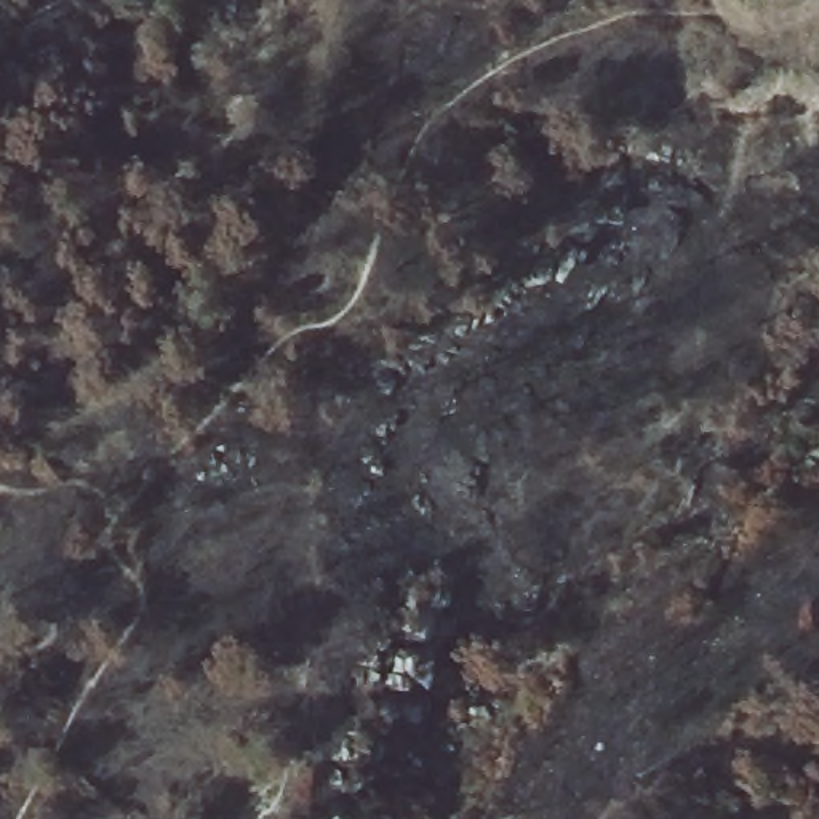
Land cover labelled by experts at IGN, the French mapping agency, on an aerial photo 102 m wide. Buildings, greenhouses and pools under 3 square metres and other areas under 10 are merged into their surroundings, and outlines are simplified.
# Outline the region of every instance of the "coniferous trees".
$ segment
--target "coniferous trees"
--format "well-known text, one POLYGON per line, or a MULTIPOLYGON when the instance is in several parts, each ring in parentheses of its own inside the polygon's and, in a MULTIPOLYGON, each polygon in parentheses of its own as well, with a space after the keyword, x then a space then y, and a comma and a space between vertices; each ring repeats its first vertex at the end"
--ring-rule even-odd
POLYGON ((64 569, 70 560, 99 557, 102 547, 99 528, 93 528, 90 521, 93 515, 80 502, 74 502, 80 489, 86 489, 90 470, 70 470, 70 480, 61 480, 54 473, 51 493, 45 496, 0 496, 0 653, 6 649, 10 656, 19 656, 19 643, 26 643, 29 633, 29 624, 16 617, 13 595, 42 576, 64 569))
POLYGON ((246 768, 256 771, 272 768, 278 758, 272 755, 266 736, 256 733, 250 745, 240 749, 240 758, 246 761, 246 768))
POLYGON ((192 800, 176 797, 163 806, 160 819, 214 819, 211 809, 202 809, 192 800))
POLYGON ((256 669, 256 656, 234 637, 221 637, 211 649, 211 659, 205 662, 205 675, 214 681, 218 691, 230 697, 266 701, 269 678, 256 669))
POLYGON ((819 819, 819 749, 790 742, 784 739, 784 733, 761 739, 745 733, 720 736, 717 742, 688 749, 678 758, 681 765, 633 781, 624 793, 627 819, 717 819, 720 809, 739 813, 749 803, 787 806, 790 819, 819 819))
POLYGON ((819 349, 819 250, 809 250, 806 243, 793 240, 790 262, 784 266, 787 278, 774 282, 771 291, 774 330, 761 333, 761 346, 768 349, 781 374, 768 374, 765 390, 742 384, 729 403, 717 406, 723 419, 739 422, 739 413, 749 410, 749 403, 787 400, 790 387, 797 384, 797 368, 806 362, 809 349, 819 349))
POLYGON ((16 765, 22 771, 22 784, 35 797, 51 797, 54 777, 42 761, 42 752, 29 749, 26 761, 16 765))
POLYGON ((771 448, 771 457, 758 470, 749 470, 742 477, 726 464, 710 467, 710 483, 720 496, 720 518, 729 521, 726 528, 710 525, 710 531, 723 537, 720 553, 726 560, 745 560, 755 550, 758 534, 774 525, 781 483, 819 486, 819 425, 790 422, 784 441, 771 448))
POLYGON ((211 29, 202 0, 0 0, 0 451, 6 454, 16 435, 22 435, 26 441, 38 441, 48 432, 51 419, 70 416, 77 406, 96 416, 109 406, 134 403, 138 416, 147 419, 173 419, 186 425, 192 419, 189 384, 198 381, 214 362, 211 342, 214 333, 224 333, 230 323, 234 288, 240 278, 237 269, 253 269, 243 246, 256 240, 256 224, 250 214, 240 214, 237 205, 227 198, 218 198, 214 205, 186 202, 179 192, 182 182, 192 176, 192 163, 182 160, 179 166, 166 150, 170 144, 163 141, 160 128, 147 115, 134 118, 134 112, 125 112, 125 106, 141 86, 141 80, 150 77, 160 83, 173 80, 182 90, 202 86, 208 80, 205 70, 192 64, 192 45, 202 42, 211 29))
POLYGON ((157 656, 144 649, 128 649, 122 656, 134 627, 125 624, 118 637, 106 637, 99 621, 86 617, 70 633, 58 633, 54 646, 45 649, 45 656, 38 659, 38 669, 22 675, 19 688, 10 694, 16 713, 45 717, 48 710, 67 710, 64 726, 70 729, 77 720, 131 723, 131 704, 150 694, 160 681, 157 656))
POLYGON ((781 640, 765 646, 768 656, 774 656, 793 681, 803 681, 813 694, 819 694, 819 627, 809 624, 793 646, 781 640))

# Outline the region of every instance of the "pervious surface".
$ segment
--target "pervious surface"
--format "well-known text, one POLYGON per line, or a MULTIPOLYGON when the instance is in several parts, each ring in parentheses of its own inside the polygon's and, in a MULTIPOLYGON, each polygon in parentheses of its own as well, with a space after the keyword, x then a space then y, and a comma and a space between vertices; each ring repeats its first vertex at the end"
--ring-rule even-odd
POLYGON ((736 32, 749 35, 781 35, 784 29, 806 26, 819 16, 819 0, 710 0, 717 16, 723 16, 736 32))

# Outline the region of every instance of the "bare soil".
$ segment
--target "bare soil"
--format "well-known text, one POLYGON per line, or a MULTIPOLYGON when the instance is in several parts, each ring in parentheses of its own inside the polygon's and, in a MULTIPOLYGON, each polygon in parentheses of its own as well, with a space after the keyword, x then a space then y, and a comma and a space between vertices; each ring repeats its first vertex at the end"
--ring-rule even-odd
POLYGON ((739 813, 720 809, 717 819, 790 819, 787 806, 749 803, 739 813))
POLYGON ((790 262, 793 240, 806 243, 809 250, 819 250, 819 16, 806 26, 784 29, 781 35, 749 35, 736 32, 723 16, 717 16, 710 0, 202 0, 211 29, 202 42, 192 45, 192 64, 205 70, 208 80, 202 86, 182 90, 173 80, 160 83, 150 77, 141 80, 141 86, 125 106, 125 112, 134 112, 134 118, 147 115, 160 128, 163 141, 170 144, 166 150, 179 166, 182 160, 192 163, 192 176, 182 182, 179 192, 186 202, 214 205, 218 198, 227 198, 237 205, 240 214, 250 214, 256 224, 256 240, 243 246, 253 269, 237 269, 240 278, 234 288, 230 323, 224 333, 214 333, 211 342, 214 362, 198 381, 189 384, 192 419, 186 425, 173 419, 147 419, 138 416, 134 403, 109 406, 96 416, 77 406, 70 416, 51 419, 48 432, 38 441, 26 441, 22 435, 16 435, 6 454, 0 451, 0 496, 45 496, 51 493, 54 473, 61 480, 70 480, 70 470, 90 470, 86 489, 80 489, 74 502, 80 502, 93 515, 90 521, 93 528, 99 528, 102 547, 99 557, 70 560, 64 569, 42 576, 13 595, 16 617, 29 624, 29 633, 26 643, 19 643, 19 656, 10 656, 6 649, 0 653, 0 819, 160 819, 163 806, 176 797, 192 800, 202 809, 211 809, 214 819, 627 819, 624 793, 633 781, 681 765, 678 758, 688 749, 717 742, 720 736, 745 733, 761 739, 784 733, 784 739, 790 742, 819 749, 819 694, 813 694, 803 681, 793 681, 774 656, 768 656, 765 646, 781 640, 793 646, 809 624, 819 627, 819 486, 781 483, 774 525, 758 534, 755 550, 745 560, 726 560, 720 553, 723 537, 710 531, 710 525, 726 528, 729 521, 720 518, 720 496, 710 483, 710 467, 726 464, 742 477, 749 470, 758 470, 771 457, 771 448, 784 441, 790 422, 819 425, 819 349, 809 349, 806 362, 797 368, 797 384, 790 387, 787 400, 749 403, 749 410, 739 413, 739 422, 723 419, 717 406, 729 403, 742 384, 765 390, 768 374, 781 374, 768 349, 761 346, 761 333, 774 330, 771 291, 774 282, 787 278, 784 266, 790 262), (22 675, 38 669, 38 659, 45 656, 45 649, 54 646, 58 633, 70 633, 86 617, 99 621, 106 637, 118 637, 125 624, 134 627, 122 656, 128 649, 144 649, 157 656, 160 681, 150 694, 131 704, 131 723, 77 720, 70 729, 64 726, 67 710, 48 710, 45 717, 16 713, 10 694, 19 688, 22 675), (256 656, 256 669, 269 678, 266 701, 230 697, 218 691, 214 681, 205 675, 205 662, 211 659, 211 649, 221 637, 234 637, 256 656), (250 745, 256 733, 266 736, 272 755, 278 758, 272 768, 256 771, 246 768, 246 761, 240 758, 240 749, 250 745), (42 752, 42 761, 54 777, 51 797, 35 797, 22 784, 22 771, 16 765, 26 761, 29 749, 42 752))

